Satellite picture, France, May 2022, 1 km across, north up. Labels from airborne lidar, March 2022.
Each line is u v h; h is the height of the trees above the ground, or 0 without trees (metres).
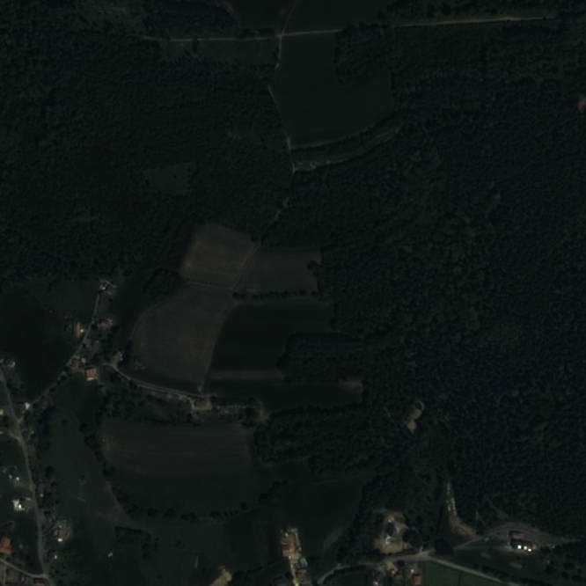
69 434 0
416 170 33
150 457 0
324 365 12
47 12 29
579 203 36
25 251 34
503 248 30
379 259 27
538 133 24
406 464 24
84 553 0
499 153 32
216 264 0
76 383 0
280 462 13
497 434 20
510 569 0
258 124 11
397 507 25
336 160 0
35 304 0
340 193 12
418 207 28
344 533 0
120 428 0
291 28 0
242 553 0
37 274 29
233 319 0
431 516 18
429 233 29
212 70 24
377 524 28
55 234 11
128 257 14
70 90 29
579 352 26
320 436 16
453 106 10
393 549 0
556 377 23
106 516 0
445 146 27
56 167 13
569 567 15
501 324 26
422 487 24
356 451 22
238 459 0
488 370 34
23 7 23
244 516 0
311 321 0
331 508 0
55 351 0
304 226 9
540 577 0
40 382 0
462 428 48
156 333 0
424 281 33
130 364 12
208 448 0
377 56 14
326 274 20
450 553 38
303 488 0
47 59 7
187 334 0
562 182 30
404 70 13
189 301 0
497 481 25
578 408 25
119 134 19
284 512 0
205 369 0
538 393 15
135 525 0
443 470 19
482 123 29
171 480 0
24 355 0
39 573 0
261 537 0
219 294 0
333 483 0
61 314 0
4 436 0
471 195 34
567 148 22
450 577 0
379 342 27
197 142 20
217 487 0
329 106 0
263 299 13
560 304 12
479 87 31
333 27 0
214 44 0
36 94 18
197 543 0
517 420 12
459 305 33
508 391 44
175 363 0
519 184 27
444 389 40
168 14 29
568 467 30
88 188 12
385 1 0
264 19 0
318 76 0
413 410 14
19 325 0
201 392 0
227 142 7
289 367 24
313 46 0
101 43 8
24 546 0
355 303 21
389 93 0
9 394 0
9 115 20
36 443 7
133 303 0
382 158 19
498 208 22
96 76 23
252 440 0
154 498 0
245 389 0
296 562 0
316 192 17
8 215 16
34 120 18
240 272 0
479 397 33
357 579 0
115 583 0
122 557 0
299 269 0
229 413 0
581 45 23
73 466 0
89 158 11
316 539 0
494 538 0
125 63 24
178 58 0
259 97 17
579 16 29
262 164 8
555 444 24
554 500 24
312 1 0
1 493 0
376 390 17
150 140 20
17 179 9
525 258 23
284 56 0
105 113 26
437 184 34
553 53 23
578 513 22
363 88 0
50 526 0
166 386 0
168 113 21
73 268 30
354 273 27
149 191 13
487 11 21
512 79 26
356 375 13
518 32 32
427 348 48
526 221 36
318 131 0
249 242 0
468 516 17
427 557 0
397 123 16
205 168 13
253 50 0
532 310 15
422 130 22
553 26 7
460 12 17
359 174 20
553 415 13
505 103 28
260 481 0
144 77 17
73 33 22
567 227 31
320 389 0
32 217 10
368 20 0
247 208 7
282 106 0
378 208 27
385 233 26
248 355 0
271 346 0
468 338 33
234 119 16
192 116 19
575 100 29
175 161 15
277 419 17
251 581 12
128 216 14
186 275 0
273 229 13
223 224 6
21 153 8
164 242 11
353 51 25
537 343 27
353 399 0
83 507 0
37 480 7
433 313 38
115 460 0
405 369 17
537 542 0
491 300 21
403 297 36
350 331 18
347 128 0
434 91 27
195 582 0
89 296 0
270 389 0
